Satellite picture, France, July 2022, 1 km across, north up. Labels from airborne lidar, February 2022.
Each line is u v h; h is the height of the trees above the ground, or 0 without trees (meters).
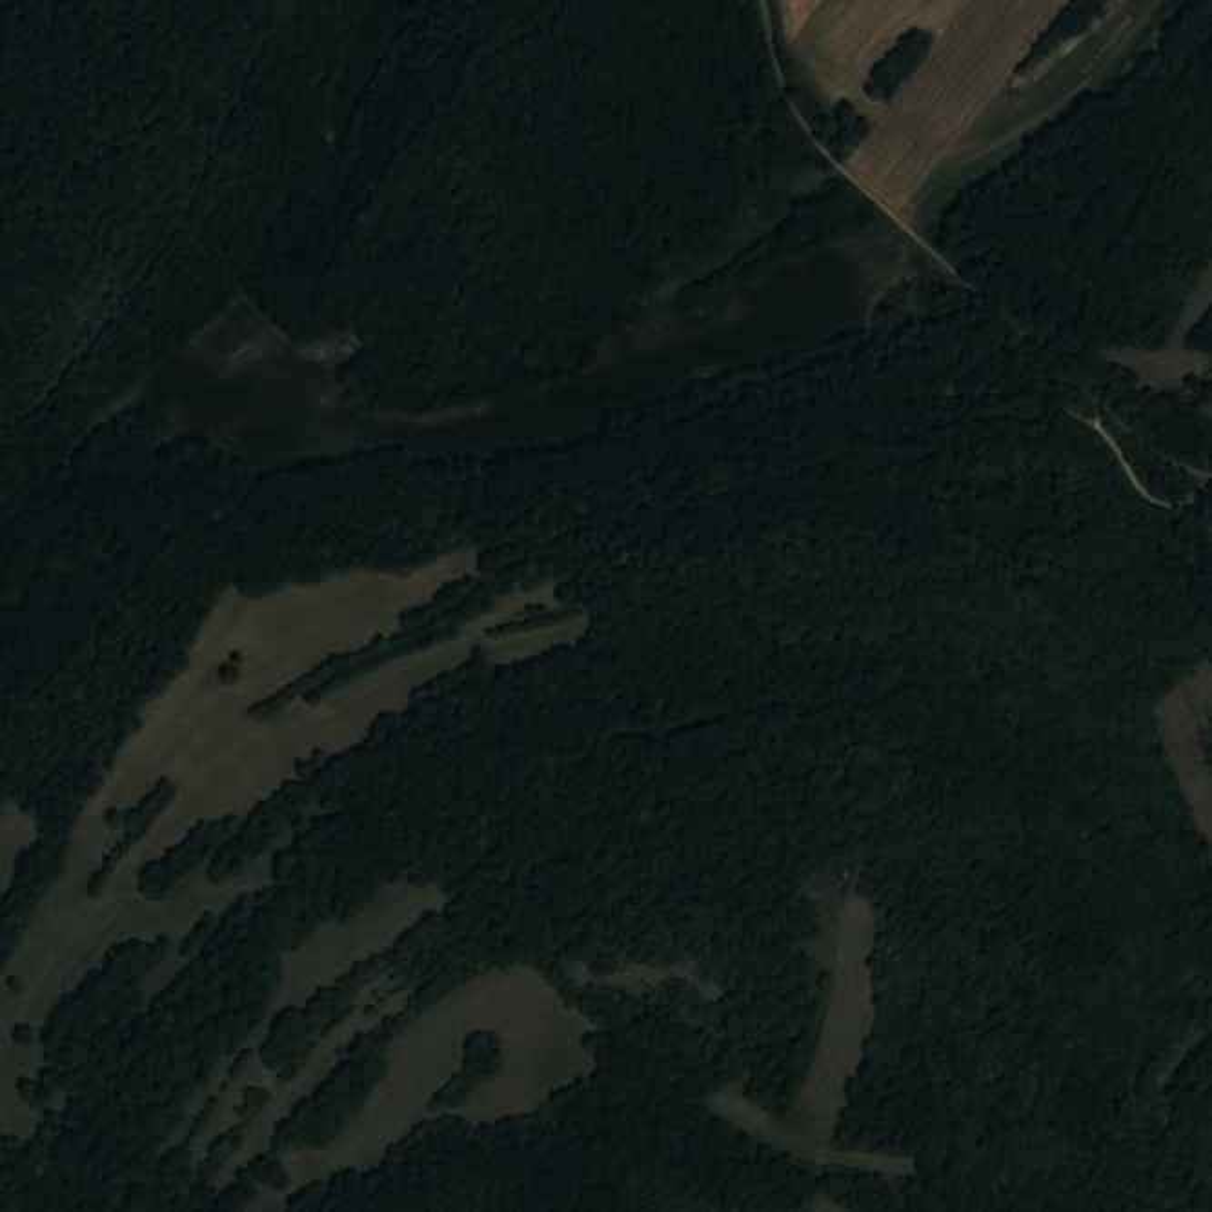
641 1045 14
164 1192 17
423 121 9
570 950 11
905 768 10
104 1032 13
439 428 0
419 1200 19
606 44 16
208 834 10
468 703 18
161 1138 7
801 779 14
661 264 20
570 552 22
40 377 10
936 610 12
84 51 21
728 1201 13
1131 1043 16
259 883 0
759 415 18
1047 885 15
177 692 0
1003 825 12
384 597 0
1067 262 18
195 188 9
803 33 0
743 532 17
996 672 14
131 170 13
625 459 18
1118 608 16
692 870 11
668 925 13
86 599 12
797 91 13
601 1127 15
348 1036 0
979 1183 13
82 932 0
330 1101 16
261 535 24
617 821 17
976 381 17
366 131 11
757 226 0
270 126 19
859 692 14
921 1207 15
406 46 9
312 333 20
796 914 13
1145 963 16
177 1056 17
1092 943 15
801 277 0
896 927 8
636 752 18
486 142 18
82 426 15
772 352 0
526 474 21
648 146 21
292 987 0
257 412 0
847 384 20
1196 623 18
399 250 15
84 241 13
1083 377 14
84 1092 14
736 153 21
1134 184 16
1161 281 17
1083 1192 14
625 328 13
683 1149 13
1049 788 16
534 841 15
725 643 18
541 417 0
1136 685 10
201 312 20
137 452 23
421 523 20
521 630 7
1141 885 16
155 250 8
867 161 0
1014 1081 10
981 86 0
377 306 21
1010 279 19
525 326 20
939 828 11
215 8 14
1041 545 15
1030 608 15
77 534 11
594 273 21
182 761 0
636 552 21
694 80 27
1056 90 0
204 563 19
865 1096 16
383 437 0
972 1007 15
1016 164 12
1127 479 9
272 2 15
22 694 22
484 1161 18
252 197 19
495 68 18
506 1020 0
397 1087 0
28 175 16
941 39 0
